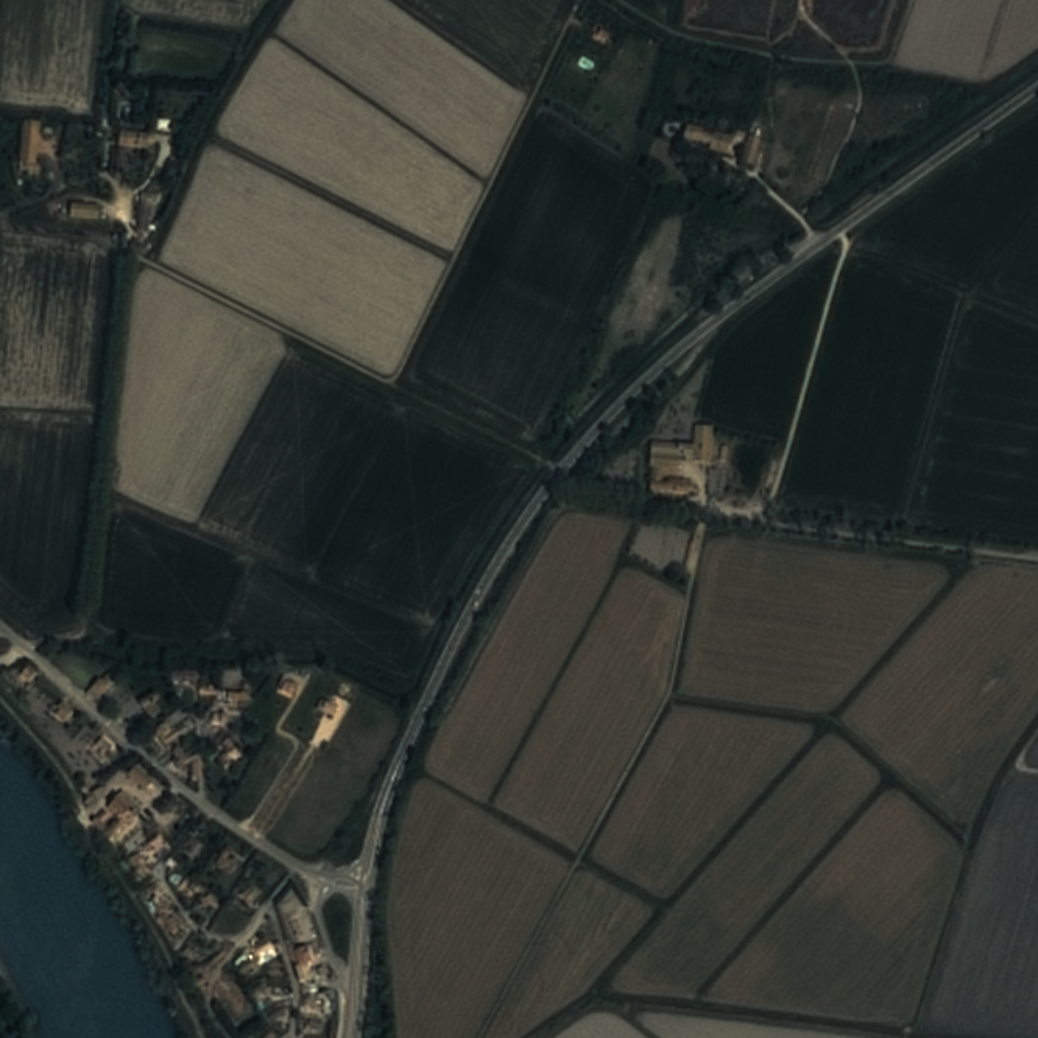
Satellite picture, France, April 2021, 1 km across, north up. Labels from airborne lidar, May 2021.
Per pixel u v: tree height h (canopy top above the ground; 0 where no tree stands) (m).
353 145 0
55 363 0
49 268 0
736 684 0
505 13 0
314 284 0
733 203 8
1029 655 0
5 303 0
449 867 0
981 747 0
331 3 0
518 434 0
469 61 0
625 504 22
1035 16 0
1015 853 0
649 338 0
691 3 0
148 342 0
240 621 0
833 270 0
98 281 0
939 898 0
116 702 11
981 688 0
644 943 0
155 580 0
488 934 0
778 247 8
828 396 0
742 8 0
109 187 7
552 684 0
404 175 0
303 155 0
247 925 0
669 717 0
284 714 0
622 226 0
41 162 7
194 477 0
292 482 0
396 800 8
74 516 0
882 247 0
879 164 11
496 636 0
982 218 0
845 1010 0
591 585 0
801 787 0
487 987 0
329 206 0
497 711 0
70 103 0
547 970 0
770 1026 0
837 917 0
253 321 0
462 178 0
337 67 0
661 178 14
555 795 0
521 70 0
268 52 0
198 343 0
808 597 0
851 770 0
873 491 0
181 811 0
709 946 0
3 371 0
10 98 0
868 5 0
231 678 0
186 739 10
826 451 0
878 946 0
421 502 0
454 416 0
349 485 0
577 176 0
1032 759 0
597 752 0
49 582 0
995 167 0
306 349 0
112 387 17
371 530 0
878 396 0
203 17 0
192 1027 0
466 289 0
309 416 0
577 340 0
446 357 0
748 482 0
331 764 0
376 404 0
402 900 0
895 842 0
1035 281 0
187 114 7
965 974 0
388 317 0
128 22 11
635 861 0
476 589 0
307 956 0
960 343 0
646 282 0
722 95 0
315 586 0
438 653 0
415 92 0
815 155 0
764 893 0
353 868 0
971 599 0
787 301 0
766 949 0
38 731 0
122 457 0
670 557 0
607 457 13
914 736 0
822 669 0
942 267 0
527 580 0
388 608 0
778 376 0
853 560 0
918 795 0
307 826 0
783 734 0
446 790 0
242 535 0
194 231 0
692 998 0
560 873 0
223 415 0
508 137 0
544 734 0
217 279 0
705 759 0
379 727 0
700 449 0
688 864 0
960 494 0
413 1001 0
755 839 0
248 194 0
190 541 0
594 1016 0
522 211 0
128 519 0
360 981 0
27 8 0
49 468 0
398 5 0
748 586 0
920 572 0
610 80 0
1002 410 0
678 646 0
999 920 0
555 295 0
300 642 0
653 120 0
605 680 0
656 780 0
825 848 0
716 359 0
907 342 0
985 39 0
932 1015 0
